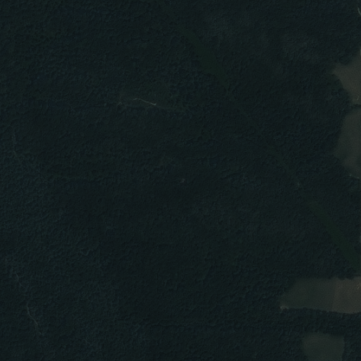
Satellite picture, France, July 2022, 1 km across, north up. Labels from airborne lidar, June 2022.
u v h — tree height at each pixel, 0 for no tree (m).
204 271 25
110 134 23
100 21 30
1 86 32
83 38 30
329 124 20
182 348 27
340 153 0
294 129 22
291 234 16
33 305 19
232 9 26
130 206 24
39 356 19
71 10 31
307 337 0
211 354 20
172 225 22
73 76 29
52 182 18
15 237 29
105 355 20
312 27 21
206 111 29
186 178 22
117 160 7
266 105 31
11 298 12
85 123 26
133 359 23
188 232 26
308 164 20
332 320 10
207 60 0
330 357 0
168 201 24
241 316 15
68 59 18
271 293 18
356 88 0
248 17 21
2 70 28
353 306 0
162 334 26
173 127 26
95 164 7
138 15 13
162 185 24
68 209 20
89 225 17
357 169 0
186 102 18
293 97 13
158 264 22
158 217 26
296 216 16
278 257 35
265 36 18
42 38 18
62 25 27
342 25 25
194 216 24
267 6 23
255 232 20
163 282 19
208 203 16
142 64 25
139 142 20
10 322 19
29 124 31
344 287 0
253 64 10
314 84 17
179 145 21
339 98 21
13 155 22
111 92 14
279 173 20
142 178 23
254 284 12
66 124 26
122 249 23
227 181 20
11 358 23
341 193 18
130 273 28
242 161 24
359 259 0
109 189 22
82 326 24
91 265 21
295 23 25
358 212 17
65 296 23
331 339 0
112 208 17
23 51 9
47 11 25
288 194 20
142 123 17
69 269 21
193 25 24
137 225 22
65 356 20
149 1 13
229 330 20
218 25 18
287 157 15
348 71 0
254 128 9
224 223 18
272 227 16
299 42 21
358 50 7
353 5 9
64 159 27
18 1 17
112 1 20
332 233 0
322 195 17
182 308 24
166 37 29
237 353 22
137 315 31
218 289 27
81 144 23
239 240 24
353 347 22
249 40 13
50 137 25
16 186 30
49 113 20
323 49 20
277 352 20
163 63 19
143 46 27
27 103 26
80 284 23
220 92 23
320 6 23
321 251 13
